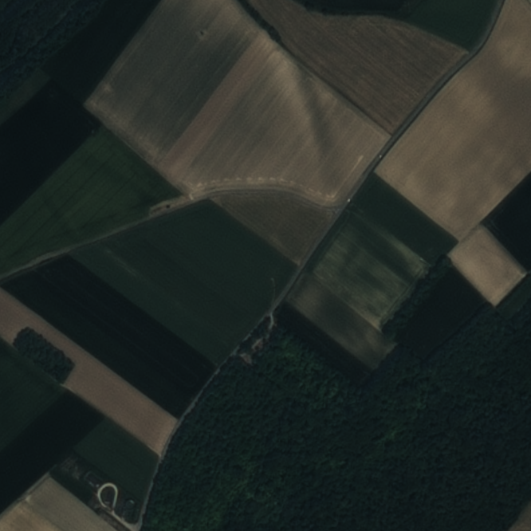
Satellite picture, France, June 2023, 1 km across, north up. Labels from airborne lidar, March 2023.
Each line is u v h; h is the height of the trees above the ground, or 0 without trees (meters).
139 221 0
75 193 0
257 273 0
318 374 21
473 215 0
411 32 0
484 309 12
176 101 0
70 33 7
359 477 17
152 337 0
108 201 0
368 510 17
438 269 11
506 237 0
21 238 0
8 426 0
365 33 0
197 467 19
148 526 10
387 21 0
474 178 0
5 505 0
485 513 16
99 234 0
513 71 0
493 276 0
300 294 0
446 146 0
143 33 0
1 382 0
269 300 0
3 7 0
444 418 21
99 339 0
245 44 0
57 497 0
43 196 0
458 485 21
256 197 0
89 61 0
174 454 15
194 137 0
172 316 0
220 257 0
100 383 0
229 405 12
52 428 0
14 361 0
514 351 14
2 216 0
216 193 0
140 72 0
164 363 0
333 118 0
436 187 0
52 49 12
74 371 0
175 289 0
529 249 0
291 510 15
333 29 0
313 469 7
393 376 21
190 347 0
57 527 0
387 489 17
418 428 8
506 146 0
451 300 0
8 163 0
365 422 28
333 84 0
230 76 0
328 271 0
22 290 0
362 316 0
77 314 0
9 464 0
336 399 17
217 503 15
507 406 13
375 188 0
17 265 0
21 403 0
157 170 0
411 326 0
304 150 0
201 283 0
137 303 0
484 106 0
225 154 0
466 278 0
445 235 0
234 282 0
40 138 0
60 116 0
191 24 0
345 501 18
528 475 19
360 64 0
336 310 0
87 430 0
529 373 10
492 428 18
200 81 0
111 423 0
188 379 0
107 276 0
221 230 0
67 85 0
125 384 0
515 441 23
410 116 0
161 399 0
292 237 0
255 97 0
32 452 0
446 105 0
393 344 0
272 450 20
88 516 0
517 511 13
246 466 13
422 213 0
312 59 0
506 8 0
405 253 0
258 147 0
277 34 15
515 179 0
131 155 0
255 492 22
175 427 0
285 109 0
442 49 0
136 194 0
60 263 0
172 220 0
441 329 0
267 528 17
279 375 20
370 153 0
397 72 0
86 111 0
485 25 0
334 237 0
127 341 0
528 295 0
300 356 8
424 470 15
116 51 0
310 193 0
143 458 0
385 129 0
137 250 0
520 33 0
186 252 0
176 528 12
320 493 17
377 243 0
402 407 13
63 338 0
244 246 0
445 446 23
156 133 0
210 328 0
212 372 0
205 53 0
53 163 0
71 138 0
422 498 15
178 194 0
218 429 17
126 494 0
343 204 0
